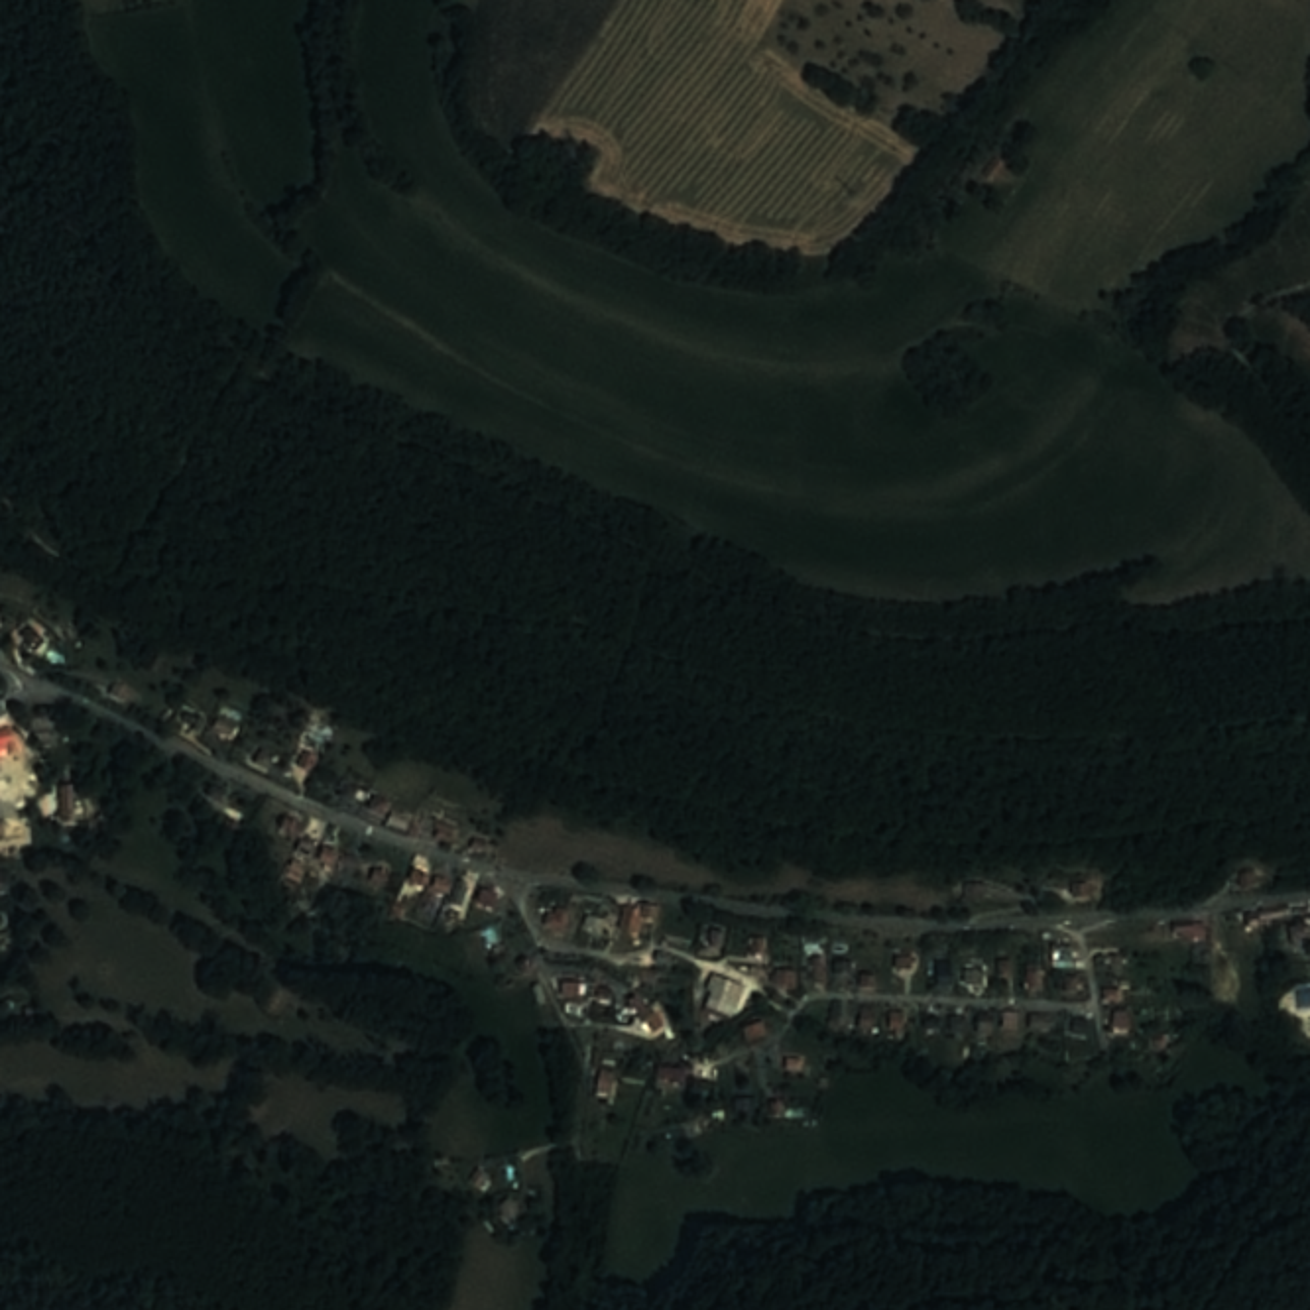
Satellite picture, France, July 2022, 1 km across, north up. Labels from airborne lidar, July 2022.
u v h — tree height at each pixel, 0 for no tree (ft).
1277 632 52
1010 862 45
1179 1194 0
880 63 38
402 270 0
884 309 0
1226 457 0
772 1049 0
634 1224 0
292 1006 0
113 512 94
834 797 59
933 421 0
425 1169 48
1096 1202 0
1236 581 0
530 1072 0
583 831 0
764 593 25
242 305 0
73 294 64
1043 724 52
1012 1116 0
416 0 0
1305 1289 55
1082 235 0
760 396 0
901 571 0
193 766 49
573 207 48
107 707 21
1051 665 56
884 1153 0
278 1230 59
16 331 73
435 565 65
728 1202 0
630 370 0
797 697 47
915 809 70
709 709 60
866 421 0
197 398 78
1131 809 83
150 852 0
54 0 63
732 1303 100
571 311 0
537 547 81
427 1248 45
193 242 0
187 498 73
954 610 57
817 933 19
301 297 62
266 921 37
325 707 64
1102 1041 0
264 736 32
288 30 0
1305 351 0
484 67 0
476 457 30
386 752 44
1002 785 70
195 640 71
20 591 0
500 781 61
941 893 0
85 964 0
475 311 0
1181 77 0
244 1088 87
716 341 0
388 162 48
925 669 62
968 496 0
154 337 68
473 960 0
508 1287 0
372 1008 84
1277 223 55
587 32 0
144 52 0
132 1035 26
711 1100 28
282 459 84
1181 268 60
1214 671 40
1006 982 22
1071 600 76
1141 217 0
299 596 65
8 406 87
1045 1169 0
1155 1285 81
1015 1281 95
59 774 28
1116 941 0
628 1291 72
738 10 0
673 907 0
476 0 0
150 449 64
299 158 0
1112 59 0
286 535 85
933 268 0
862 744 58
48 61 70
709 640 48
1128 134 0
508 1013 0
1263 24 0
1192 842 71
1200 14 0
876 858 67
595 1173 28
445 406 0
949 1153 0
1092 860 47
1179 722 42
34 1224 54
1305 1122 67
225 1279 65
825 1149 0
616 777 76
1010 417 0
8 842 0
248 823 24
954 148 80
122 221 70
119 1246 55
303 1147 54
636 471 0
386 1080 80
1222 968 0
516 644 70
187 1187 59
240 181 0
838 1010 20
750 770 85
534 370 0
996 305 54
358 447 93
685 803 35
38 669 51
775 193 0
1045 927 0
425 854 0
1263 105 0
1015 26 52
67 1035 60
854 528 0
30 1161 54
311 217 0
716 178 0
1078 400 0
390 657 87
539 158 64
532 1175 0
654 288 0
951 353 60
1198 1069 0
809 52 0
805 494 0
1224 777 64
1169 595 0
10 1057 0
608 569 73
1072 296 0
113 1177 51
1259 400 43
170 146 0
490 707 68
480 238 0
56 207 65
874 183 0
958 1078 47
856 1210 55
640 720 64
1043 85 0
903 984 0
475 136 43
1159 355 54
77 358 53
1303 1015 0
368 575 72
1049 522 0
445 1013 77
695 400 0
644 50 0
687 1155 56
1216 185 0
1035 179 0
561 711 79
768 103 0
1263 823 76
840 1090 0
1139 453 0
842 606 29
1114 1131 0
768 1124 18
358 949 71
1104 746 60
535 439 0
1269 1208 100
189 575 67
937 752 55
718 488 0
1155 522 0
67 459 79
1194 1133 51
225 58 0
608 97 0
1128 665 57
